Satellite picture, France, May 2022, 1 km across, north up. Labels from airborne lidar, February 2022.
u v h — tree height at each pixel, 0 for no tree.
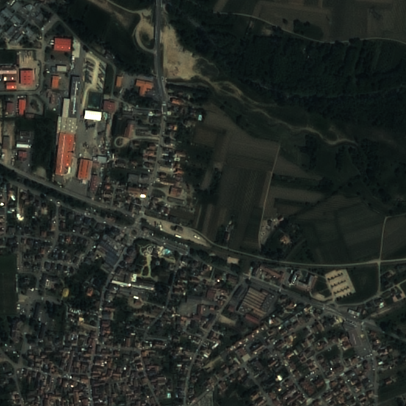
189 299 0
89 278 0
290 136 0
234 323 0
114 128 13
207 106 0
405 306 0
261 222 0
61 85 0
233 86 0
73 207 16
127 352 0
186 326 0
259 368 0
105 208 0
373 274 0
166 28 0
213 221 0
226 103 6
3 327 17
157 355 0
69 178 0
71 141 0
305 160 0
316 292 0
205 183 0
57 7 10
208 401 0
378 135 0
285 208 0
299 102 19
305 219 0
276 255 12
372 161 7
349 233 0
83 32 14
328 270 0
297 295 0
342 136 0
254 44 0
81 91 0
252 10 0
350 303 0
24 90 0
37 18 0
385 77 15
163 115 0
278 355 0
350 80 24
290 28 0
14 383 11
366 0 0
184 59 0
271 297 0
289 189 0
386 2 0
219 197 0
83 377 0
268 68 0
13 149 0
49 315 8
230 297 0
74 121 0
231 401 0
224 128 0
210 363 0
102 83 0
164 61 0
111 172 0
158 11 0
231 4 0
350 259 0
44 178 0
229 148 0
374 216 0
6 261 0
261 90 18
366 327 0
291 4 0
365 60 9
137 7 0
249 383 0
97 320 0
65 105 0
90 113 0
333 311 0
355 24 0
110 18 0
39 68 0
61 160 0
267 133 0
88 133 0
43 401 0
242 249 6
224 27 8
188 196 0
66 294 0
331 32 0
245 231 0
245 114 0
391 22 0
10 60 0
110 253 0
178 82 0
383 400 0
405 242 0
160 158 0
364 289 0
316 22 0
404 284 0
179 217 0
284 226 18
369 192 0
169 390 0
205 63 0
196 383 8
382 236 0
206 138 0
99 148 0
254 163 0
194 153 0
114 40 0
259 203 0
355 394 0
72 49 11
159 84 0
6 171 16
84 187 0
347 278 0
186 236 0
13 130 0
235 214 0
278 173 0
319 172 0
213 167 0
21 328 0
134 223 0
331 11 0
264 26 0
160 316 0
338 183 0
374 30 0
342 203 0
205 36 19
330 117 16
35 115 6
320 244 0
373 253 0
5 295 0
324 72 19
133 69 10
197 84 0
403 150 0
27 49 0
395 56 0
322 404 0
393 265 0
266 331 0
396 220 0
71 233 0
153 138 0
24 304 0
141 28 0
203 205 0
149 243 6
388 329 23
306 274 0
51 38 0
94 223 8
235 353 0
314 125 0
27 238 0
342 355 0
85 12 0
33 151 0
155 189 0
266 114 0
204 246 0
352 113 18
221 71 0
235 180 0
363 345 0
